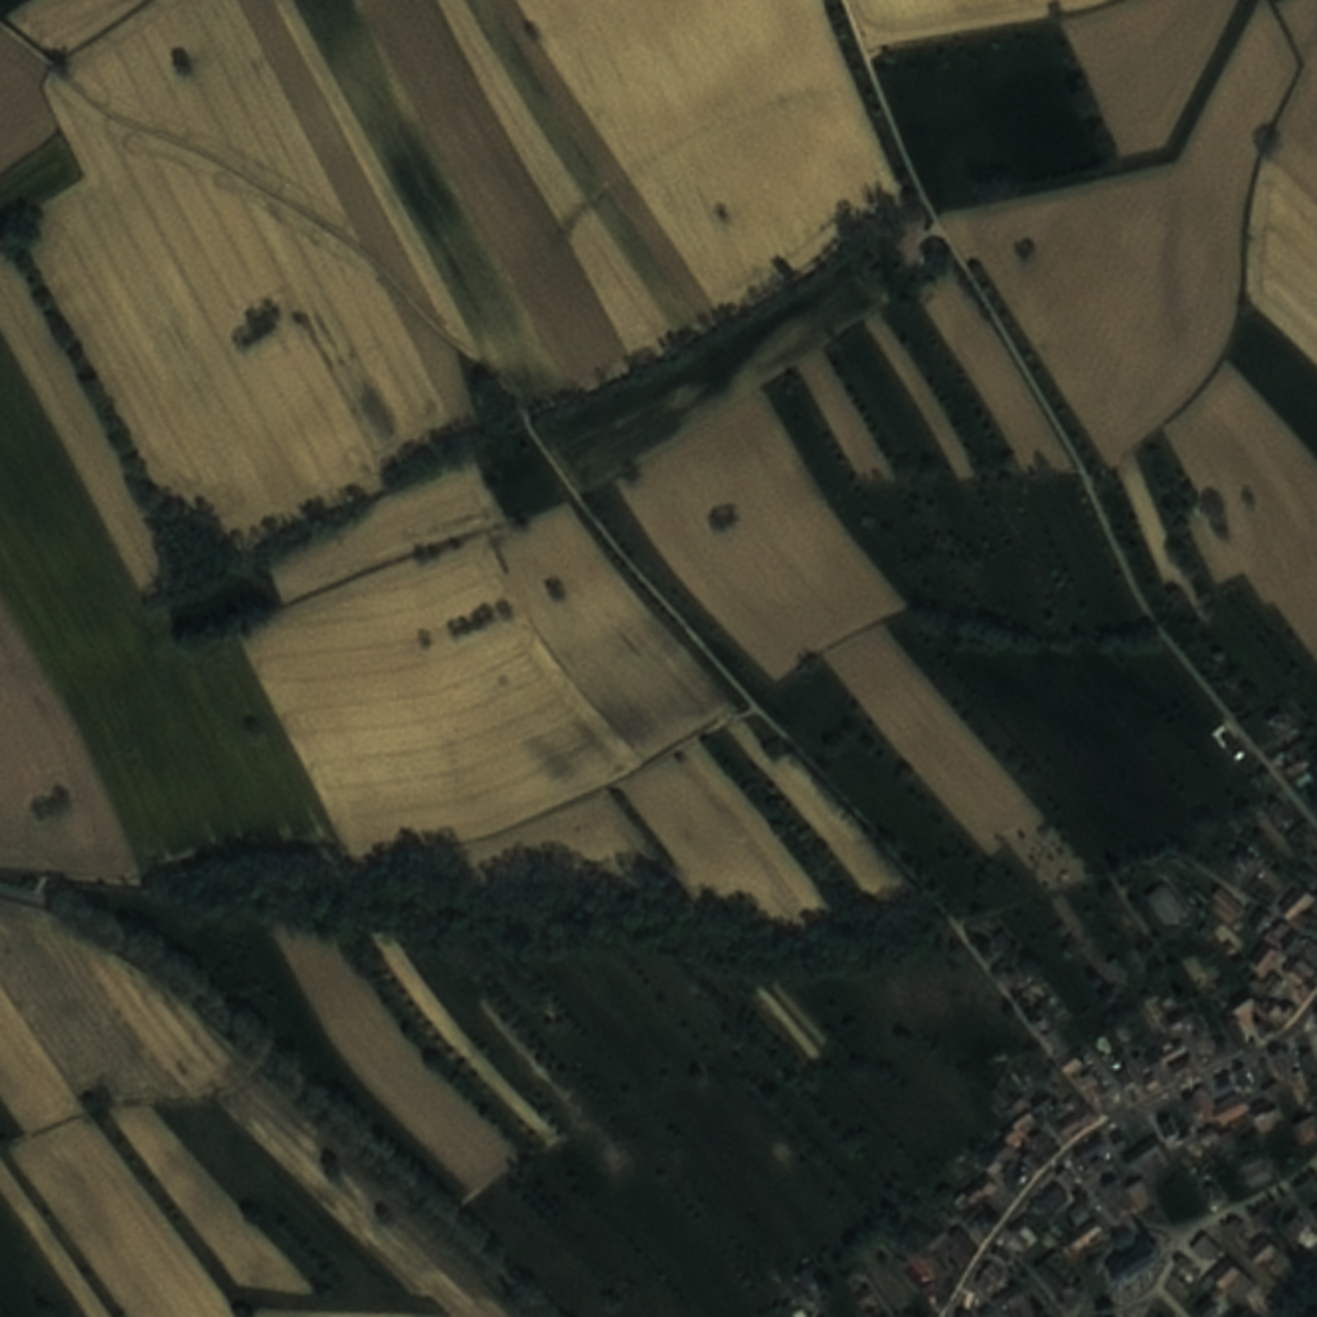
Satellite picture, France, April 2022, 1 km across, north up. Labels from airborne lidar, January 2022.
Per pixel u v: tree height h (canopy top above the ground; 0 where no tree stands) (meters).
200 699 0
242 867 28
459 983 0
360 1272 0
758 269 0
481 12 0
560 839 0
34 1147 0
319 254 0
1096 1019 0
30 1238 0
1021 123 0
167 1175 0
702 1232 0
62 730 0
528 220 0
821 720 0
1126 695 0
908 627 0
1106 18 0
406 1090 0
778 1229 0
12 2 0
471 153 0
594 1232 0
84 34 0
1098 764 0
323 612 0
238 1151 0
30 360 0
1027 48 0
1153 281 0
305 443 0
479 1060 0
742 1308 0
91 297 0
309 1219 0
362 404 0
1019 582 0
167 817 0
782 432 0
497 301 0
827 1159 9
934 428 0
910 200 14
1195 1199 0
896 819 0
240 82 0
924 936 25
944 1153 0
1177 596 10
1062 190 0
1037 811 0
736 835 0
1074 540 0
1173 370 0
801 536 0
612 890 27
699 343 17
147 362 0
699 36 0
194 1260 0
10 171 0
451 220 0
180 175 0
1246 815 10
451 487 0
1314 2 0
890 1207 12
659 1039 0
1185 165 0
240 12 0
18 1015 0
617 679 0
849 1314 0
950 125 0
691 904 25
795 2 0
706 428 0
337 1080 0
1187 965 0
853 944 30
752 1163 0
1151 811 0
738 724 0
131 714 0
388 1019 0
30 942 0
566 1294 0
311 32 0
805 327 0
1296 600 0
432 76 0
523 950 27
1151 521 0
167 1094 0
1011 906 0
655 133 0
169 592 18
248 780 0
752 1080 14
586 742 0
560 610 0
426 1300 0
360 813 0
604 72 0
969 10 0
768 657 0
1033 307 0
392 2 0
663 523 0
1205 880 0
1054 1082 10
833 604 0
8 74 0
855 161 0
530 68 0
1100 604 0
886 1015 0
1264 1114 0
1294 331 0
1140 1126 0
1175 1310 0
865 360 0
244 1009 19
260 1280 0
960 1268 14
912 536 0
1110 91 0
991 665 0
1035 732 0
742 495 0
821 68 0
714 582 0
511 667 0
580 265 0
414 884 34
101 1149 0
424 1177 21
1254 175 0
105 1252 0
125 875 0
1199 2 0
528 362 0
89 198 0
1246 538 0
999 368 0
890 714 0
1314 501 0
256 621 23
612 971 0
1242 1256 0
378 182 0
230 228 0
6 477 0
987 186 22
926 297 0
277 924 20
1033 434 0
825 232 0
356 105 0
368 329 0
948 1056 0
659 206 0
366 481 0
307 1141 0
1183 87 0
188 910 24
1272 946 0
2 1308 0
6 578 0
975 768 0
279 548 24
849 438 0
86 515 0
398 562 0
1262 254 0
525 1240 0
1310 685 0
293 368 0
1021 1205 0
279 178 0
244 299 0
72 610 0
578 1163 0
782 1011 0
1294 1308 24
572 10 0
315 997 0
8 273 0
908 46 0
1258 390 0
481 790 0
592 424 0
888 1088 0
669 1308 0
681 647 0
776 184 0
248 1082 0
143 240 0
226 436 0
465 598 0
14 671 0
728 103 0
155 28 0
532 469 0
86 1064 0
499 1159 0
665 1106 0
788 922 0
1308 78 0
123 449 11
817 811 0
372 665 0
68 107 0
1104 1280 0
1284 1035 0
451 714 0
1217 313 0
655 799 0
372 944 14
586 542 0
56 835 0
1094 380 0
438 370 0
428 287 0
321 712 0
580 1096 0
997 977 10
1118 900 16
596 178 0
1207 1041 0
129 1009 0
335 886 32
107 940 22
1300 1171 0
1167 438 0
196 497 0
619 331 0
